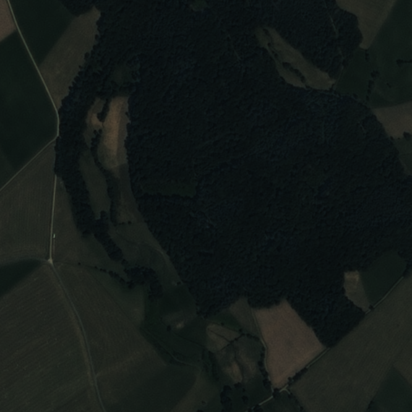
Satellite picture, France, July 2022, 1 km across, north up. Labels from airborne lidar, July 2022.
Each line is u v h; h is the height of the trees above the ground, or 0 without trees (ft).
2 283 0
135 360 0
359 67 0
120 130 0
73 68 0
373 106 0
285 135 59
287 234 85
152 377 0
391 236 86
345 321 80
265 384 54
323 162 83
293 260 92
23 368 0
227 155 77
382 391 0
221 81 68
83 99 112
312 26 55
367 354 0
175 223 64
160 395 0
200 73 73
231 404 73
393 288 0
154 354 0
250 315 0
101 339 0
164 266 0
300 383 0
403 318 0
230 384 0
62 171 53
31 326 0
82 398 0
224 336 0
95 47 50
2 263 0
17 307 0
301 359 0
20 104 0
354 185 84
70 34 0
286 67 40
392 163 77
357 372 0
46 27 0
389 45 0
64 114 61
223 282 74
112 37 76
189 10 66
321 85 0
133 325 0
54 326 0
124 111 0
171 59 56
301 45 58
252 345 0
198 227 66
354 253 71
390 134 0
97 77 88
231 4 61
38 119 0
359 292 0
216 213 71
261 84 87
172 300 0
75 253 0
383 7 0
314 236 86
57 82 0
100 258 0
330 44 55
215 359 26
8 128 0
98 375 0
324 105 26
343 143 82
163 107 68
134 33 67
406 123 0
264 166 76
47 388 0
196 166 44
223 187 71
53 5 0
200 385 0
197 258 65
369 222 61
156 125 64
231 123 62
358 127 74
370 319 0
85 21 0
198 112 67
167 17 71
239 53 38
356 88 0
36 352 0
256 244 79
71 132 84
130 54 53
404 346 0
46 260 0
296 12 39
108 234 45
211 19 69
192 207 65
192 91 70
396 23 0
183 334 0
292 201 81
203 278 64
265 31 23
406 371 0
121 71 0
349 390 0
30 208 0
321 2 60
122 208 0
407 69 0
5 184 0
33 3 0
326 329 87
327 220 89
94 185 0
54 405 0
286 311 0
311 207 79
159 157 69
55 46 0
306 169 81
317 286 103
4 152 0
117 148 0
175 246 74
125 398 0
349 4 0
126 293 0
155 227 67
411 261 70
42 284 0
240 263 67
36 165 0
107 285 0
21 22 0
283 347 0
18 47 0
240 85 74
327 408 0
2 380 0
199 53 72
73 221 0
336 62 41
